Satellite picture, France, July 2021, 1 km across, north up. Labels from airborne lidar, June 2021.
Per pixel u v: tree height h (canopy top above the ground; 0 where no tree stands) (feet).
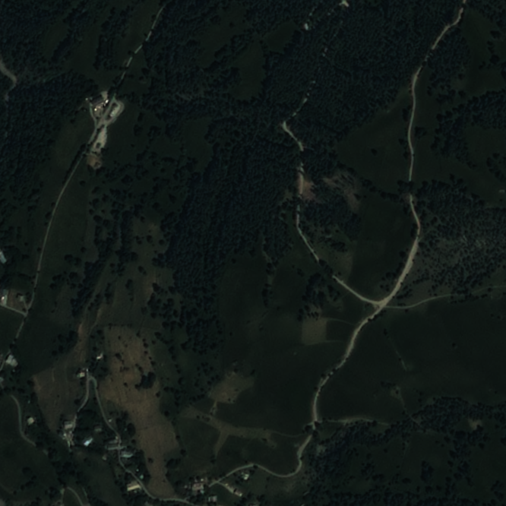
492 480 0
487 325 0
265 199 75
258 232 51
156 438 0
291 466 0
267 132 26
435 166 0
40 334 0
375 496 45
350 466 58
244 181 86
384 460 0
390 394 0
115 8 33
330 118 22
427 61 26
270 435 0
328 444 25
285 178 79
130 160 0
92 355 0
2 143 58
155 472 0
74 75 33
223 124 69
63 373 0
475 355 0
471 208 56
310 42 97
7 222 28
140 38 0
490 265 24
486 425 0
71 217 0
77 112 27
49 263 0
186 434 0
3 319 0
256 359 0
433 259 26
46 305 0
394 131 0
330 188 83
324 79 99
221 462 0
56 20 43
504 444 51
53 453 55
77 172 0
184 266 88
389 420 0
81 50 0
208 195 105
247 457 0
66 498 0
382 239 0
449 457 0
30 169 69
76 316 46
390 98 66
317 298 67
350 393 0
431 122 0
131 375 0
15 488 0
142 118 44
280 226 82
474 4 66
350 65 26
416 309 0
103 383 0
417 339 0
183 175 61
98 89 52
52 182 0
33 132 76
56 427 0
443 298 0
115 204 36
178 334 0
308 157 87
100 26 0
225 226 85
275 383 0
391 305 0
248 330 0
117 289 0
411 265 0
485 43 0
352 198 0
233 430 0
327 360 0
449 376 0
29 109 64
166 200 0
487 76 0
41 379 0
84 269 0
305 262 0
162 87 35
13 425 0
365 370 0
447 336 0
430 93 41
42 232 0
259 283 0
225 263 26
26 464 0
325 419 30
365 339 0
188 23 73
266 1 94
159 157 44
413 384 0
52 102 76
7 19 56
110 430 25
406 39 84
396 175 0
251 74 0
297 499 0
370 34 102
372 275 0
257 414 0
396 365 0
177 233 50
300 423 0
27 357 0
